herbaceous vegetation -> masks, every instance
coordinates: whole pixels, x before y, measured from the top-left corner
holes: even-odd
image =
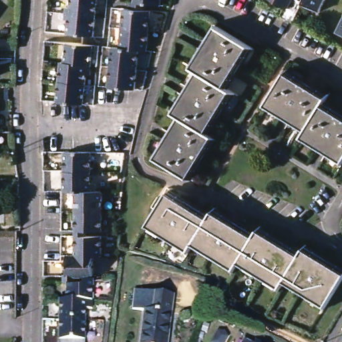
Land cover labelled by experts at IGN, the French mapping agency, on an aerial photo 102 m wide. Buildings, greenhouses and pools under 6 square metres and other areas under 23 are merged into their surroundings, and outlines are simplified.
[[[132,342],[140,329],[139,321],[136,321],[139,311],[131,310],[131,301],[127,298],[131,297],[136,287],[144,285],[140,281],[140,271],[147,266],[164,269],[170,266],[179,273],[204,278],[207,285],[223,291],[224,306],[228,310],[238,311],[244,317],[261,322],[269,329],[277,330],[281,325],[266,317],[266,309],[274,309],[279,319],[282,319],[283,313],[289,315],[289,325],[309,333],[317,333],[317,329],[311,325],[319,314],[318,307],[311,307],[309,303],[302,302],[302,298],[289,293],[286,287],[279,287],[278,291],[269,291],[259,281],[251,281],[251,285],[247,286],[244,282],[232,281],[232,273],[226,273],[219,266],[212,266],[203,256],[195,255],[194,251],[187,251],[183,262],[172,262],[168,255],[160,251],[160,243],[152,236],[144,234],[142,227],[144,219],[150,215],[151,204],[158,199],[159,194],[162,190],[160,184],[140,176],[130,159],[127,191],[120,191],[118,195],[116,208],[126,210],[124,220],[130,243],[126,256],[116,261],[118,267],[112,270],[110,275],[104,274],[102,279],[96,282],[98,299],[94,303],[95,306],[110,307],[110,318],[103,323],[102,342]]]
[[[0,207],[0,236],[8,236],[11,239],[13,252],[19,250],[21,243],[16,232],[9,232],[8,228],[28,222],[29,203],[37,192],[35,184],[29,182],[25,175],[17,176],[15,166],[12,159],[0,158],[0,191],[5,188],[11,192],[13,208],[16,210],[13,214],[3,214]]]
[[[339,0],[337,5],[329,7],[330,12],[321,12],[317,17],[325,23],[326,33],[334,43],[342,47],[342,39],[334,35],[334,29],[342,13],[342,0]]]
[[[174,323],[171,342],[212,342],[214,334],[208,331],[207,323],[203,325],[202,322],[194,321],[194,315],[182,311]]]
[[[232,95],[224,96],[204,130],[203,135],[208,138],[206,146],[195,159],[186,179],[192,179],[192,183],[200,186],[218,183],[222,187],[226,187],[234,180],[242,186],[251,188],[252,191],[266,192],[271,182],[285,183],[290,188],[291,195],[283,192],[281,199],[282,202],[293,203],[310,211],[313,196],[317,195],[319,188],[325,191],[329,184],[314,179],[313,175],[295,167],[290,160],[285,166],[273,168],[266,172],[259,171],[254,156],[259,148],[255,146],[254,139],[248,138],[248,131],[250,123],[247,120],[235,123],[235,120],[242,114],[246,100],[254,94],[252,87],[255,79],[252,79],[251,73],[262,72],[261,59],[252,53],[251,49],[244,49],[240,53],[234,68],[224,80],[222,90],[232,91]]]

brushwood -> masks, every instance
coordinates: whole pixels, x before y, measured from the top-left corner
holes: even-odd
[[[57,305],[57,295],[60,291],[60,278],[44,278],[43,281],[43,317],[48,317],[51,303]]]
[[[130,159],[126,152],[123,155],[123,166],[102,168],[102,178],[116,183],[112,194],[118,195],[120,191],[127,191]]]
[[[151,158],[155,143],[159,142],[160,138],[148,132],[143,139],[142,156],[144,163],[152,170],[162,175],[166,170]]]
[[[305,164],[314,164],[318,159],[318,155],[313,151],[306,155],[302,154],[301,144],[290,143],[291,158]]]
[[[341,167],[331,167],[326,160],[322,162],[318,170],[337,180],[338,184],[342,184],[342,163]]]
[[[15,152],[15,135],[8,134],[4,142],[0,143],[0,158],[12,159],[15,166],[16,155],[11,155],[11,152]]]
[[[124,220],[126,210],[116,208],[108,208],[107,211],[112,223],[111,232],[116,240],[116,261],[126,256],[130,243]]]
[[[311,15],[309,9],[299,5],[297,15],[293,20],[289,20],[291,27],[299,28],[299,31],[321,41],[322,44],[334,43],[326,33],[325,23],[317,17]]]
[[[190,60],[202,37],[215,24],[212,17],[202,13],[188,13],[180,17],[178,29],[182,35],[175,39],[167,81],[159,88],[159,95],[162,96],[158,99],[159,107],[171,107],[172,100],[176,99],[176,91],[180,91],[180,84],[184,83],[187,76],[182,61],[187,63]]]
[[[259,148],[254,156],[259,171],[266,172],[273,168],[270,167],[265,150]]]
[[[8,41],[11,49],[16,49],[21,11],[19,0],[0,0],[0,39]]]
[[[238,323],[254,327],[259,331],[259,335],[271,337],[274,342],[342,342],[342,301],[333,307],[326,303],[322,314],[319,314],[311,325],[317,329],[317,333],[309,333],[289,325],[289,315],[283,313],[282,319],[279,319],[274,309],[266,309],[266,317],[281,325],[277,330],[269,329],[261,322],[244,317],[238,311],[228,310],[224,306],[223,291],[207,285],[199,287],[192,305],[183,306],[182,311],[194,315],[194,321],[202,322],[203,325],[207,323],[223,319],[232,325]]]
[[[274,5],[270,5],[269,3],[267,3],[267,1],[263,1],[263,0],[256,0],[256,1],[255,1],[255,7],[256,7],[256,8],[258,8],[258,9],[265,9],[265,11],[266,11],[267,13],[271,13],[271,15],[273,15],[273,16],[277,17],[277,19],[279,19],[279,17],[283,16],[283,13],[285,13],[285,11],[283,11],[283,9],[282,9],[282,8],[274,7]]]
[[[271,182],[266,192],[281,199],[283,192],[291,195],[290,188],[285,183]]]
[[[15,64],[0,65],[0,88],[13,88],[15,91],[19,87],[16,84],[16,76],[19,69],[16,69]]]
[[[252,87],[254,94],[246,100],[242,114],[235,120],[235,123],[247,120],[250,123],[248,131],[251,135],[267,140],[269,144],[282,142],[283,138],[287,139],[291,134],[290,128],[274,122],[273,115],[266,116],[258,107],[263,95],[269,90],[270,81],[277,76],[279,69],[285,71],[298,65],[290,56],[285,61],[273,49],[267,49],[261,59],[262,72],[251,73],[252,79],[255,79]]]

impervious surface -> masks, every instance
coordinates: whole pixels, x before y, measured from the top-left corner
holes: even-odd
[[[342,122],[342,47],[334,43],[322,44],[321,41],[299,31],[299,28],[291,27],[289,20],[293,20],[297,15],[299,5],[299,0],[295,0],[293,7],[285,11],[285,13],[283,13],[283,16],[279,17],[279,19],[277,19],[277,17],[273,16],[273,15],[271,15],[271,13],[267,13],[266,11],[265,11],[265,9],[258,9],[258,8],[256,8],[256,7],[255,7],[255,1],[256,1],[256,0],[162,0],[158,7],[172,9],[174,17],[170,29],[163,33],[156,52],[156,75],[152,76],[150,85],[128,91],[119,90],[118,87],[106,90],[104,81],[95,76],[91,104],[79,104],[69,110],[65,103],[53,106],[51,102],[56,91],[56,72],[53,68],[63,59],[65,47],[84,47],[84,37],[67,36],[65,29],[52,32],[52,13],[55,11],[56,1],[59,0],[19,0],[21,11],[16,49],[11,49],[8,41],[0,39],[0,65],[15,64],[16,69],[19,69],[16,76],[16,84],[19,87],[15,91],[13,88],[0,88],[0,99],[4,96],[5,102],[5,115],[0,115],[0,143],[4,142],[8,134],[15,135],[15,152],[11,152],[11,155],[16,155],[15,166],[17,176],[25,175],[29,182],[35,184],[37,192],[29,203],[28,222],[8,228],[9,232],[16,232],[21,243],[19,250],[13,252],[11,239],[8,236],[0,236],[0,342],[102,342],[103,323],[110,318],[110,307],[95,306],[88,306],[90,333],[80,337],[73,333],[60,334],[57,305],[51,303],[48,317],[43,317],[43,281],[44,278],[60,278],[60,291],[67,290],[68,277],[63,271],[63,266],[79,267],[79,263],[71,255],[71,227],[75,226],[76,222],[71,219],[71,208],[79,206],[73,203],[73,192],[65,195],[60,188],[60,170],[65,163],[60,152],[73,152],[75,156],[88,155],[87,164],[96,162],[102,168],[123,166],[123,155],[126,152],[130,159],[140,176],[160,184],[162,190],[159,194],[167,195],[172,202],[178,203],[199,218],[203,218],[204,214],[210,214],[244,236],[250,235],[250,232],[259,227],[256,234],[291,255],[302,246],[306,246],[303,254],[334,273],[342,274],[342,184],[338,184],[337,180],[318,170],[322,162],[318,159],[314,164],[305,164],[291,158],[290,143],[287,143],[287,139],[283,138],[282,142],[269,144],[267,140],[251,135],[248,131],[248,138],[254,139],[255,146],[259,148],[265,150],[270,167],[273,168],[285,166],[290,160],[295,167],[313,175],[314,179],[329,184],[325,191],[319,188],[317,195],[313,196],[310,211],[293,203],[282,202],[281,199],[266,192],[252,191],[251,188],[242,186],[234,180],[226,187],[222,187],[218,183],[200,186],[192,183],[192,179],[186,179],[180,179],[166,170],[162,175],[152,170],[144,163],[142,156],[143,139],[148,132],[160,138],[163,132],[154,120],[159,107],[158,99],[162,96],[159,95],[159,88],[167,81],[175,39],[182,35],[178,29],[180,17],[188,13],[202,13],[212,17],[215,24],[220,31],[251,49],[252,53],[261,59],[267,49],[273,49],[285,61],[290,56],[298,65],[285,71],[283,76],[286,79],[321,99],[321,110]]]

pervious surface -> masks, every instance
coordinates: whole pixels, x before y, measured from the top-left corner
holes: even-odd
[[[208,331],[214,334],[219,326],[228,327],[230,334],[226,335],[224,342],[274,342],[271,337],[259,335],[259,331],[254,327],[238,323],[232,325],[223,319],[207,323]]]
[[[207,285],[204,278],[179,273],[170,266],[164,269],[147,266],[140,271],[140,281],[144,285],[136,287],[171,291],[178,289],[174,323],[182,311],[183,306],[192,305],[199,287]]]

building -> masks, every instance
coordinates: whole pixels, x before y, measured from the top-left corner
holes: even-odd
[[[228,327],[219,326],[214,334],[212,342],[224,342],[226,335],[230,334]]]
[[[303,254],[306,246],[302,246],[291,255],[256,234],[259,227],[250,232],[250,235],[244,236],[210,214],[204,214],[203,218],[199,218],[178,203],[172,202],[167,195],[159,194],[158,199],[151,204],[150,215],[144,219],[142,227],[144,234],[152,236],[160,243],[160,251],[168,255],[172,262],[183,262],[187,251],[194,251],[195,255],[203,256],[212,266],[219,266],[226,273],[232,273],[232,281],[244,282],[247,286],[251,285],[251,281],[259,281],[269,291],[278,291],[279,287],[286,287],[289,293],[302,298],[302,302],[309,303],[311,307],[318,307],[319,314],[322,314],[326,303],[333,307],[342,301],[342,274],[334,273]]]
[[[263,1],[267,1],[267,3],[269,3],[270,5],[274,5],[274,7],[282,8],[282,9],[283,9],[283,11],[285,11],[293,7],[295,0],[263,0]]]
[[[139,311],[136,321],[139,321],[140,329],[132,342],[171,342],[174,323],[178,289],[171,291],[136,287],[131,297],[127,298],[131,301],[131,310]]]
[[[342,122],[321,110],[321,99],[286,79],[283,76],[285,71],[279,69],[277,76],[270,81],[269,90],[263,95],[258,107],[266,116],[273,115],[274,122],[290,128],[291,134],[287,139],[287,143],[290,143],[301,144],[302,154],[306,155],[313,151],[318,155],[318,159],[322,162],[326,160],[331,167],[341,167],[342,163]]]
[[[334,29],[334,35],[342,39],[342,13]]]
[[[299,0],[299,5],[309,9],[311,15],[317,17],[321,12],[330,12],[329,7],[337,5],[339,0]]]
[[[224,96],[232,95],[232,91],[222,90],[224,80],[234,68],[240,53],[244,49],[251,49],[220,31],[215,24],[202,37],[190,60],[187,63],[182,61],[187,76],[184,83],[180,84],[180,91],[176,91],[176,99],[172,100],[171,107],[159,107],[154,120],[163,132],[160,138],[159,142],[155,143],[151,158],[166,170],[180,179],[186,179],[195,159],[206,146],[208,138],[203,135],[204,130]]]
[[[118,87],[119,90],[128,91],[150,85],[152,76],[156,75],[156,52],[163,33],[170,29],[174,17],[172,9],[158,7],[162,0],[59,0],[56,1],[55,11],[52,13],[52,32],[65,29],[67,36],[84,37],[84,47],[65,47],[63,59],[53,68],[56,72],[56,91],[51,102],[53,106],[65,103],[69,110],[79,104],[91,104],[95,76],[104,81],[106,90]]]
[[[116,208],[118,195],[112,194],[116,183],[102,178],[102,168],[96,162],[87,164],[88,155],[75,156],[73,152],[60,152],[65,163],[60,170],[60,188],[65,195],[73,192],[73,203],[79,206],[71,208],[71,219],[76,222],[75,226],[71,227],[71,255],[79,263],[79,267],[63,266],[63,271],[68,277],[67,290],[60,291],[57,295],[57,305],[60,334],[73,333],[80,337],[90,333],[88,306],[95,306],[94,303],[98,299],[96,282],[102,279],[104,274],[110,275],[112,270],[118,267],[116,261],[116,240],[111,232],[112,223],[107,211],[108,208]]]
[[[4,96],[0,99],[0,115],[5,115],[5,102]]]

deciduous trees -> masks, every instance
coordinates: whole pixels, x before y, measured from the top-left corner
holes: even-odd
[[[0,207],[3,214],[13,214],[16,210],[13,208],[11,192],[5,188],[0,191]]]

